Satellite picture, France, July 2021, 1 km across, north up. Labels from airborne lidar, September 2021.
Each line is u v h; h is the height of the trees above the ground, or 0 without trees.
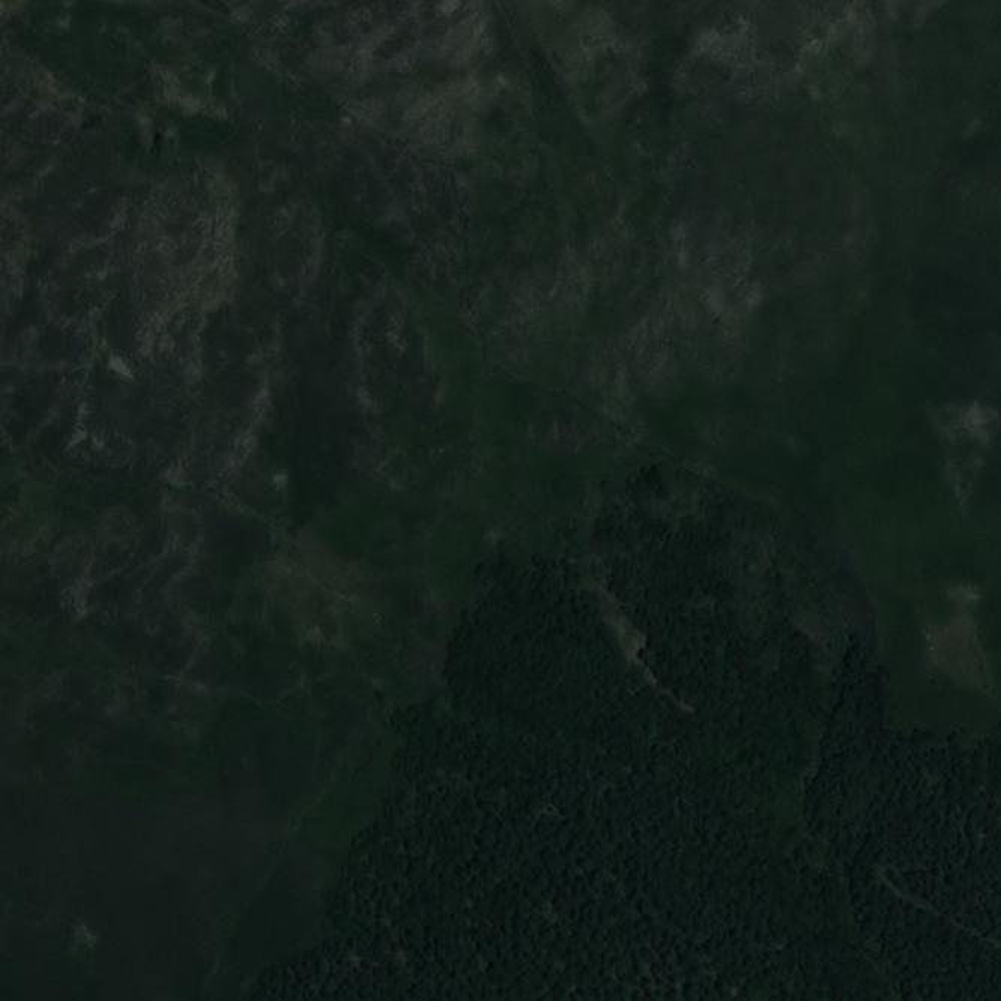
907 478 0
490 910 9
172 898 0
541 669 21
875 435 0
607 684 22
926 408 0
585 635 23
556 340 0
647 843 21
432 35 0
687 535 11
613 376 0
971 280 0
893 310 0
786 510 0
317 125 0
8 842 0
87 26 0
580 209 0
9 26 0
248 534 0
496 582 9
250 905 0
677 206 0
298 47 0
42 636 0
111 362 0
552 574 9
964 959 26
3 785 0
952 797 17
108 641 0
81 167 0
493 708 16
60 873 0
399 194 0
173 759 0
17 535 0
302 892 0
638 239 0
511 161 0
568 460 0
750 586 0
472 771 20
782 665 9
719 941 14
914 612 0
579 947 25
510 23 0
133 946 0
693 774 16
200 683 0
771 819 10
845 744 10
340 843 0
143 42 0
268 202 0
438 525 0
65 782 0
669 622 23
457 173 0
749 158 0
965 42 0
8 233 0
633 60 0
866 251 0
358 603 0
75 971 0
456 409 0
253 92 0
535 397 0
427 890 14
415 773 10
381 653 0
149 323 0
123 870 0
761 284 0
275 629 0
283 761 0
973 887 19
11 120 0
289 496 0
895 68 0
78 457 0
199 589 0
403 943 13
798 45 0
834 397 0
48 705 0
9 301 0
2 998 0
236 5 0
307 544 0
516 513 0
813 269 0
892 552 0
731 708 19
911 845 17
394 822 12
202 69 0
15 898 0
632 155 0
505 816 15
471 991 19
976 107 0
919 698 0
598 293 0
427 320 0
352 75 0
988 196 0
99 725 0
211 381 0
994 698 0
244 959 0
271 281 0
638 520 8
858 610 0
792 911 16
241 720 0
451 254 0
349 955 18
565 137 0
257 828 0
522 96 0
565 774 24
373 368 0
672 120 0
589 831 26
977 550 0
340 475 0
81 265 0
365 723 0
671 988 12
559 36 0
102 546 0
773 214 0
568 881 25
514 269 0
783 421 0
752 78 0
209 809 0
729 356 0
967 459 0
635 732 20
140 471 0
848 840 9
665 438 0
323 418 0
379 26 0
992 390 0
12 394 0
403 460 0
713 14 0
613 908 12
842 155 0
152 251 0
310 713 0
